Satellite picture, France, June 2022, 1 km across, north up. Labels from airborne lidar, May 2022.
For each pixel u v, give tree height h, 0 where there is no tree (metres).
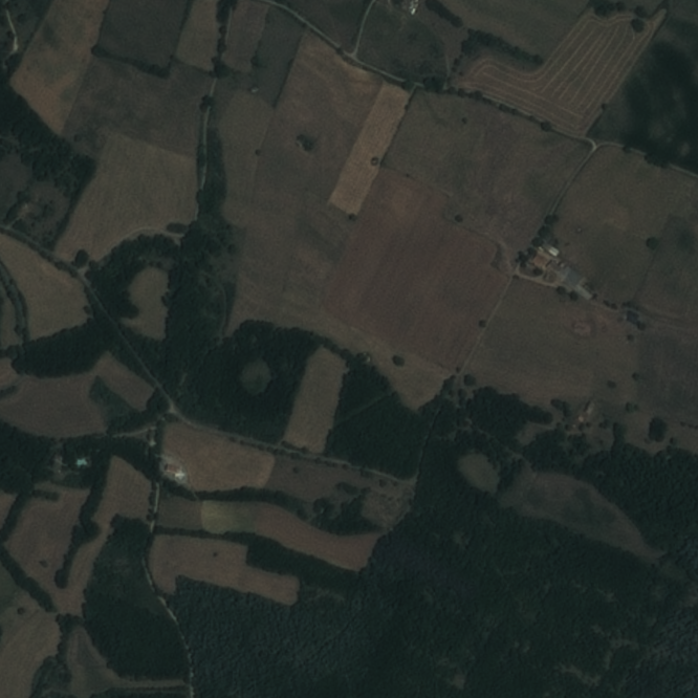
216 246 10
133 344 10
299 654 12
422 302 0
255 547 8
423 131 0
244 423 7
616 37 0
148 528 8
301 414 0
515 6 0
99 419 0
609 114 0
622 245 0
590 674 7
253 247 0
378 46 0
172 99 0
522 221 0
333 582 6
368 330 0
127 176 0
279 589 0
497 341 0
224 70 11
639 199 0
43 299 0
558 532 13
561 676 9
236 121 0
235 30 0
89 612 14
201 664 13
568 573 12
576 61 0
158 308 0
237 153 0
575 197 0
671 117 0
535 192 0
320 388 0
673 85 0
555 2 0
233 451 0
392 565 18
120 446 8
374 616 8
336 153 0
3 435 17
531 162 0
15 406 0
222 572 0
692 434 0
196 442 0
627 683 6
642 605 9
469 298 0
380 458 9
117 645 11
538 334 0
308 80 0
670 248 0
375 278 0
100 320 12
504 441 10
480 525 12
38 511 0
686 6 0
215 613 8
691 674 11
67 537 0
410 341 0
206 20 0
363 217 0
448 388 13
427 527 7
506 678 10
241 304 0
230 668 12
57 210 0
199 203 10
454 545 12
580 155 0
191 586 12
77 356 10
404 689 6
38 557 0
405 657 8
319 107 0
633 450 9
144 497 0
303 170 0
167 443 0
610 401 0
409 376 0
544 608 10
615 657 9
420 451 8
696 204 0
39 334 0
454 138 0
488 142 0
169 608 15
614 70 0
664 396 0
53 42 0
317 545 0
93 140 0
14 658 0
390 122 0
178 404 9
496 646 12
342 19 0
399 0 7
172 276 12
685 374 0
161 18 0
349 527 8
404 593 13
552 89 0
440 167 0
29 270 0
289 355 9
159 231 0
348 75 0
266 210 0
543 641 9
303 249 0
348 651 9
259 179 0
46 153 9
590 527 0
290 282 0
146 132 0
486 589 7
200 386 11
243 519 0
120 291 8
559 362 0
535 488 0
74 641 0
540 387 0
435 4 9
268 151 0
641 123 0
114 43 0
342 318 0
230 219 0
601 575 11
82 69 0
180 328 12
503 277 0
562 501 0
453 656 7
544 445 10
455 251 0
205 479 0
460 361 0
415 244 0
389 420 8
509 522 7
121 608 11
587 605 11
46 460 13
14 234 8
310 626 13
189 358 8
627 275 0
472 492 16
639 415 0
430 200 0
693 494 9
